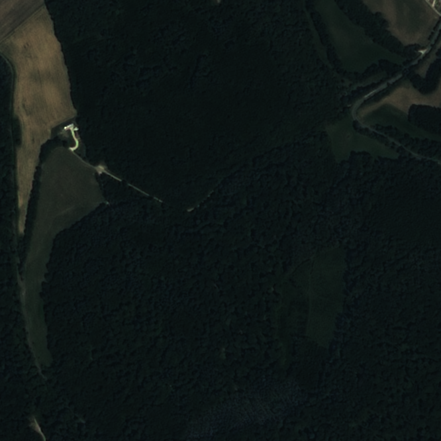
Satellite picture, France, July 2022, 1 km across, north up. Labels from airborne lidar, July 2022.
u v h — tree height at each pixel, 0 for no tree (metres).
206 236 30
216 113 17
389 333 22
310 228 32
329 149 23
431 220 15
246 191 21
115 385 12
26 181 0
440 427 27
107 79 10
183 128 16
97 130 16
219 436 34
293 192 25
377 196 26
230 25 23
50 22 0
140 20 6
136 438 34
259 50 11
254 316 29
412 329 26
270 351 30
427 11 0
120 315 27
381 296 22
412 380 28
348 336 22
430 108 17
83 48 8
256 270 30
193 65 9
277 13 21
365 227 21
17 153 0
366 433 22
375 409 23
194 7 6
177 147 14
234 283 26
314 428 34
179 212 20
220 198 12
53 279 20
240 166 16
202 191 26
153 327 25
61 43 21
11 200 20
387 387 25
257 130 12
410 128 0
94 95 9
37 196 19
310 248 29
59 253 14
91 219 24
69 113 0
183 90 11
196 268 29
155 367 10
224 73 13
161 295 25
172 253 28
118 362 9
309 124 25
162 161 14
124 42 9
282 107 14
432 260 22
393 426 24
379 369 27
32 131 0
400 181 17
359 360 29
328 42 17
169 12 14
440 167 24
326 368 26
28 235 15
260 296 27
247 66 13
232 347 31
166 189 17
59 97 0
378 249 22
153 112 19
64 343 24
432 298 21
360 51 0
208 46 7
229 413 26
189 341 19
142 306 23
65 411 29
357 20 19
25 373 30
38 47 0
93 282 21
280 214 22
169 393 16
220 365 28
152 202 23
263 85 16
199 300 27
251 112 14
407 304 22
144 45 9
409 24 0
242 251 28
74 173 0
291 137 18
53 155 0
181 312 21
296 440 23
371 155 17
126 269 26
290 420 30
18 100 0
